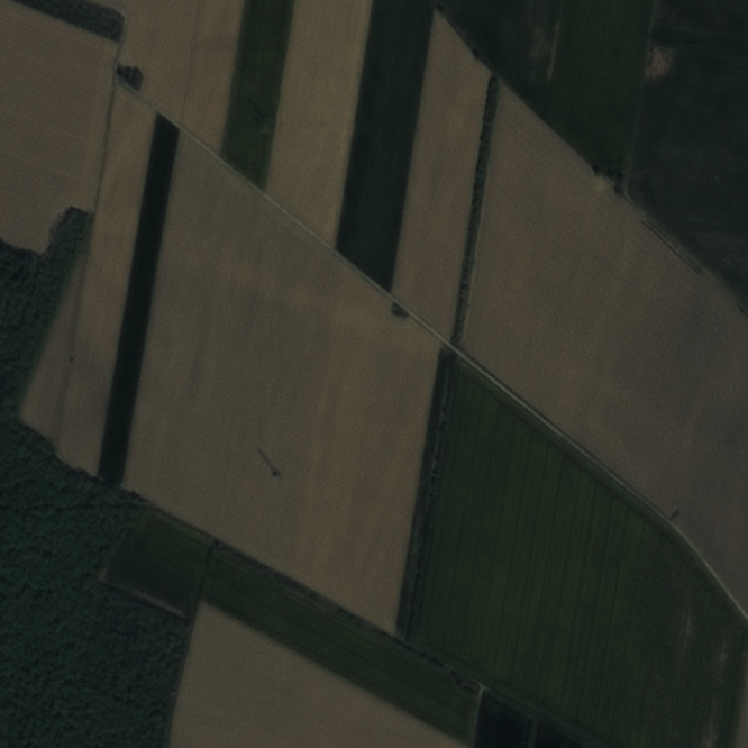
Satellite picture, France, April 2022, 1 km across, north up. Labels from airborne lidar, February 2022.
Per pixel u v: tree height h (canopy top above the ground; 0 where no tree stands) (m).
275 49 0
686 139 0
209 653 0
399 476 0
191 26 0
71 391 0
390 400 0
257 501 0
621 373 0
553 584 0
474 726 0
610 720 0
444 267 0
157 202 0
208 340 0
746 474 0
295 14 0
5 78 0
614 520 0
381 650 0
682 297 0
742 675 0
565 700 0
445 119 0
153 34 0
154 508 0
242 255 0
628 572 0
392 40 0
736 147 0
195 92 0
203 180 0
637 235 0
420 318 0
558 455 0
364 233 0
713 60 0
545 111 0
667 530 0
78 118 0
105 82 0
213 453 0
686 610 0
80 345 0
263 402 0
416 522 0
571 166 0
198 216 0
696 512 0
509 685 0
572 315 0
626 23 0
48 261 14
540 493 0
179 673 13
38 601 11
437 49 0
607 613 0
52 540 13
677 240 0
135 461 0
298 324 0
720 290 0
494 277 0
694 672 0
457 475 0
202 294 0
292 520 0
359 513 0
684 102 0
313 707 0
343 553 0
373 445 0
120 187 0
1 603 13
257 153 0
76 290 0
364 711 0
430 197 0
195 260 0
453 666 0
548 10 0
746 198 0
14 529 14
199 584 0
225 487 0
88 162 0
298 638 0
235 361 0
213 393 0
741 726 0
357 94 0
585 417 0
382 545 0
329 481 0
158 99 0
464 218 0
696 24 0
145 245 0
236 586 0
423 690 0
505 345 0
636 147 0
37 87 0
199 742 0
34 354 12
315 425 0
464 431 0
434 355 0
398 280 0
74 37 0
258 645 0
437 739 0
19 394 11
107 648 9
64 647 13
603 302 0
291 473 0
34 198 0
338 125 0
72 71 0
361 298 0
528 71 0
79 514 16
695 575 0
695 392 0
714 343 0
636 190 0
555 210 0
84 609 12
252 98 0
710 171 0
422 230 0
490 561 0
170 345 0
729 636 0
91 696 11
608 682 0
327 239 0
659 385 0
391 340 0
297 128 0
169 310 0
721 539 0
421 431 0
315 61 0
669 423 0
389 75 0
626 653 0
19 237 0
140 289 0
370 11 0
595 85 0
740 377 0
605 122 0
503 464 0
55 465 11
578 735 0
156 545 0
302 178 0
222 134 0
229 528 0
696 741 0
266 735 0
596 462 0
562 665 0
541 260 0
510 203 0
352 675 0
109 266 0
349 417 0
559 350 0
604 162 0
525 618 0
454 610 0
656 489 0
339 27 0
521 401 0
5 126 0
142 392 0
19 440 12
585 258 0
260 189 0
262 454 0
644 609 0
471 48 0
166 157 0
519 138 0
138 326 0
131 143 0
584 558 0
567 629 0
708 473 0
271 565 0
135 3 0
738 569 0
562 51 0
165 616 13
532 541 0
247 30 0
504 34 0
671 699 0
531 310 0
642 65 0
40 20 0
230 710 0
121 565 0
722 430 0
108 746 10
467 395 0
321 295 0
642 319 0
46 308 15
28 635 13
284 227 0
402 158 0
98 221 0
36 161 0
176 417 0
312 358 0
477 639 0
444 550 0
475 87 0
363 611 0
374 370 0
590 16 0
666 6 0
